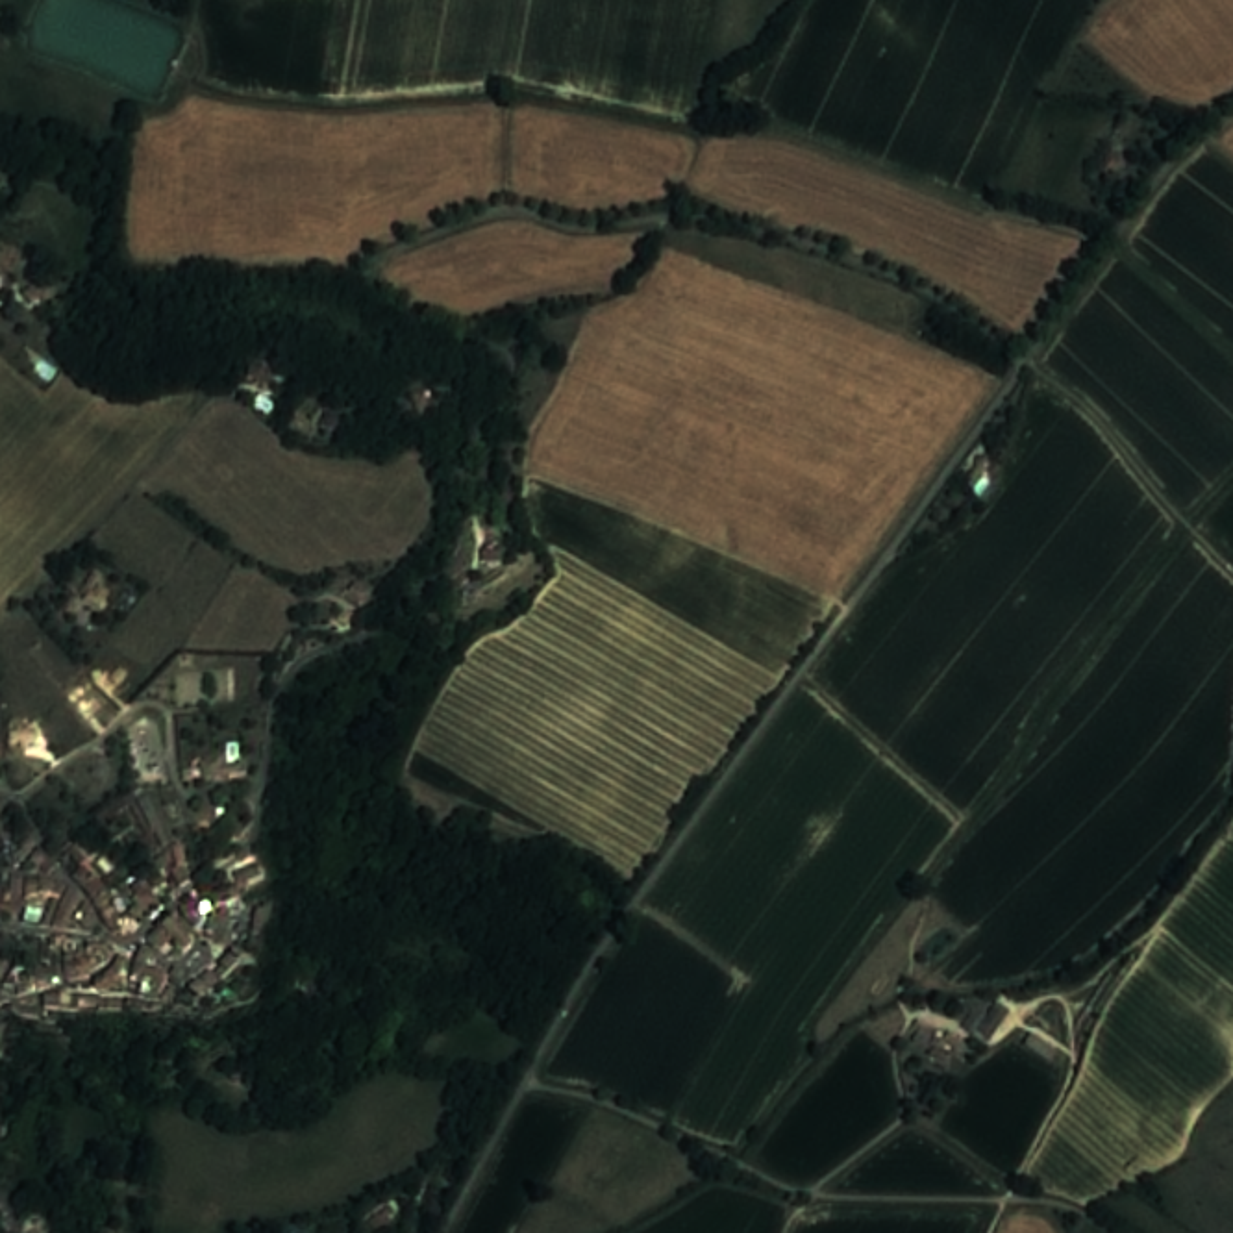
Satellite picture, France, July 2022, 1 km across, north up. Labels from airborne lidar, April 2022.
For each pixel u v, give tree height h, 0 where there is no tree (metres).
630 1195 0
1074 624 0
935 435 0
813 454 0
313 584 9
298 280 15
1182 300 0
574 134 0
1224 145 0
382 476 0
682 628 0
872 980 0
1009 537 0
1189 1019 0
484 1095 18
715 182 0
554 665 0
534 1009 21
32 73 0
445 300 0
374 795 12
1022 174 0
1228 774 0
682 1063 0
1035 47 0
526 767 0
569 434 0
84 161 6
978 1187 0
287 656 9
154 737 0
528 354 20
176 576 0
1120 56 0
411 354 12
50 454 0
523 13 0
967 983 0
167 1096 9
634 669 0
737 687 0
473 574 11
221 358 19
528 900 19
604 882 10
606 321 0
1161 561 0
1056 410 0
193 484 0
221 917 0
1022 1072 0
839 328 0
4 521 0
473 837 17
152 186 0
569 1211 0
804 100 0
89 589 0
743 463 0
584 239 0
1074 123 0
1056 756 0
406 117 0
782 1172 0
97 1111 19
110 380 23
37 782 0
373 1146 0
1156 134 9
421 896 14
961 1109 0
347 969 18
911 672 0
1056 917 0
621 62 0
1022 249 0
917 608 0
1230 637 0
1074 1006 0
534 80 0
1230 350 0
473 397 17
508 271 0
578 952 17
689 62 0
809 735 0
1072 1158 0
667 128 0
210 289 10
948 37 0
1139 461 0
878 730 0
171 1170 0
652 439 0
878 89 0
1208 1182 0
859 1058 0
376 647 18
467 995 21
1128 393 0
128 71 0
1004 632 0
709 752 0
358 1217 11
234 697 0
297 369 17
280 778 13
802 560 0
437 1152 7
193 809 8
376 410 16
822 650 0
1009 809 0
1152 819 0
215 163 0
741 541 0
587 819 0
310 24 0
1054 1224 0
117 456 0
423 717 0
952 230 0
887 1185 0
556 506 0
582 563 0
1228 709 0
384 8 0
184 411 0
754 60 16
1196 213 0
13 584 0
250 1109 15
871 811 0
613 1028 0
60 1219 15
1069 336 0
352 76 0
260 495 0
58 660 0
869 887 0
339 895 14
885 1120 0
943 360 0
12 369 0
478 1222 0
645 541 0
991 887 0
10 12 12
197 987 0
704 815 0
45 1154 18
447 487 18
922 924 0
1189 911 0
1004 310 0
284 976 19
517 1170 0
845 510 0
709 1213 0
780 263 0
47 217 0
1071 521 0
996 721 0
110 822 12
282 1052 19
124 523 0
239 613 0
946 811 0
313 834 19
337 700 7
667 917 0
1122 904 0
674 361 0
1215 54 0
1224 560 0
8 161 17
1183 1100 0
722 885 0
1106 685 0
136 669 0
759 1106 0
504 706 0
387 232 0
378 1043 11
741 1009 0
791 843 0
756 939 0
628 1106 13
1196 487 0
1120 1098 0
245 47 0
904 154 0
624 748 0
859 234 0
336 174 0
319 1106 20
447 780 0
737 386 0
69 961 0
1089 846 0
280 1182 0
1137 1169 0
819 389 0
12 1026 11
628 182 0
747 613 0
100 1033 8
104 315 25
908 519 0
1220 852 0
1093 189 7
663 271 0
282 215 0
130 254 0
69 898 0
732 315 0
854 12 0
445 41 0
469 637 12
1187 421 0
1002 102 0
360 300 17
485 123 0
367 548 0
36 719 0
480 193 0
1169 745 0
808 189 0
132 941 0
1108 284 0
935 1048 0
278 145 0
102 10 0
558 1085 0
